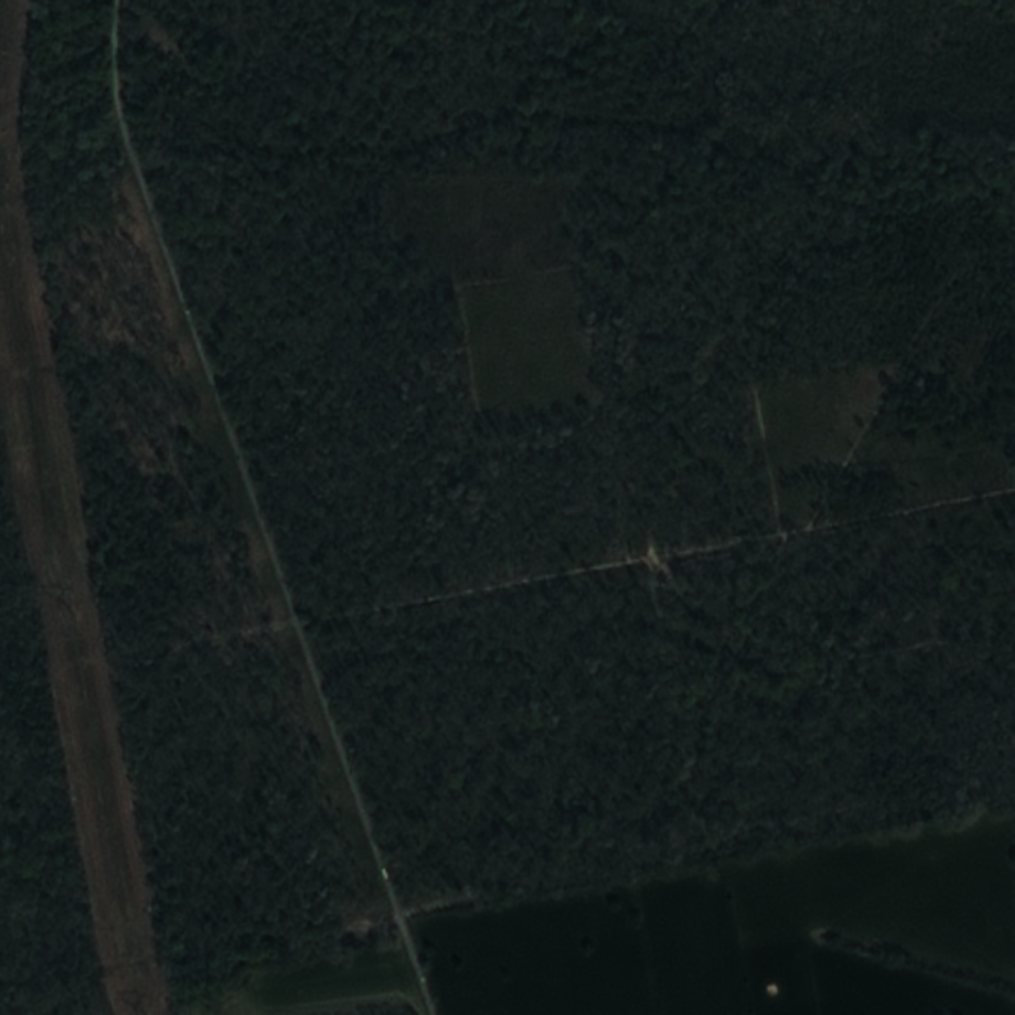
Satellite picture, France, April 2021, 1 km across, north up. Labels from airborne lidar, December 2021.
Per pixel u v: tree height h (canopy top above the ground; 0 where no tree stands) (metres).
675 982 0
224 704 18
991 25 12
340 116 24
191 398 26
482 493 27
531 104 28
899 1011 0
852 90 23
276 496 24
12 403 0
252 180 25
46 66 13
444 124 22
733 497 25
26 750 24
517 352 0
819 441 0
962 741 25
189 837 21
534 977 0
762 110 24
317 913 25
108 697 0
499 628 25
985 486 0
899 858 0
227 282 23
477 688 30
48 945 25
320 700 0
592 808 25
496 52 19
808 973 0
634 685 23
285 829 10
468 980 0
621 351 24
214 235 24
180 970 22
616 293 23
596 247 24
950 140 23
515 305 0
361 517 21
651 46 9
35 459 0
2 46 0
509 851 27
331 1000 0
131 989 0
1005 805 19
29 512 0
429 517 23
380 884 0
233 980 20
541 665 21
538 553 24
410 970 0
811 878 0
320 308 27
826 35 17
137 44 9
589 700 25
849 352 23
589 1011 0
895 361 8
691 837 23
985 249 13
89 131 31
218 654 25
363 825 0
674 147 28
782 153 15
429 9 21
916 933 0
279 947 18
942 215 12
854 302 21
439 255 0
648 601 27
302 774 20
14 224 0
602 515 8
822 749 24
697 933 0
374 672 28
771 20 22
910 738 25
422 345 26
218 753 27
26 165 12
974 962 0
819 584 29
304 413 24
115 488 27
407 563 22
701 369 23
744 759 23
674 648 26
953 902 0
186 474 20
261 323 27
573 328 0
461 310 27
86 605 0
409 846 24
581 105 9
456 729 28
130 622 23
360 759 31
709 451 18
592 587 25
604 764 28
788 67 21
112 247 23
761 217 26
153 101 24
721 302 24
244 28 14
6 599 24
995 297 10
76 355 20
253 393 23
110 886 0
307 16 8
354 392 28
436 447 25
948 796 19
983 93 12
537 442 16
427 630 11
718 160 22
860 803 20
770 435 0
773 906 0
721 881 0
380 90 16
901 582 19
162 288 27
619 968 0
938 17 12
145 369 27
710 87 17
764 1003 0
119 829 0
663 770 24
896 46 14
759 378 20
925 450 0
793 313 23
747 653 11
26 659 22
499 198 0
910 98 12
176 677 15
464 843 29
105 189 25
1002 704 24
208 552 24
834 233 19
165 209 25
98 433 8
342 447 22
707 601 23
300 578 20
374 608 25
